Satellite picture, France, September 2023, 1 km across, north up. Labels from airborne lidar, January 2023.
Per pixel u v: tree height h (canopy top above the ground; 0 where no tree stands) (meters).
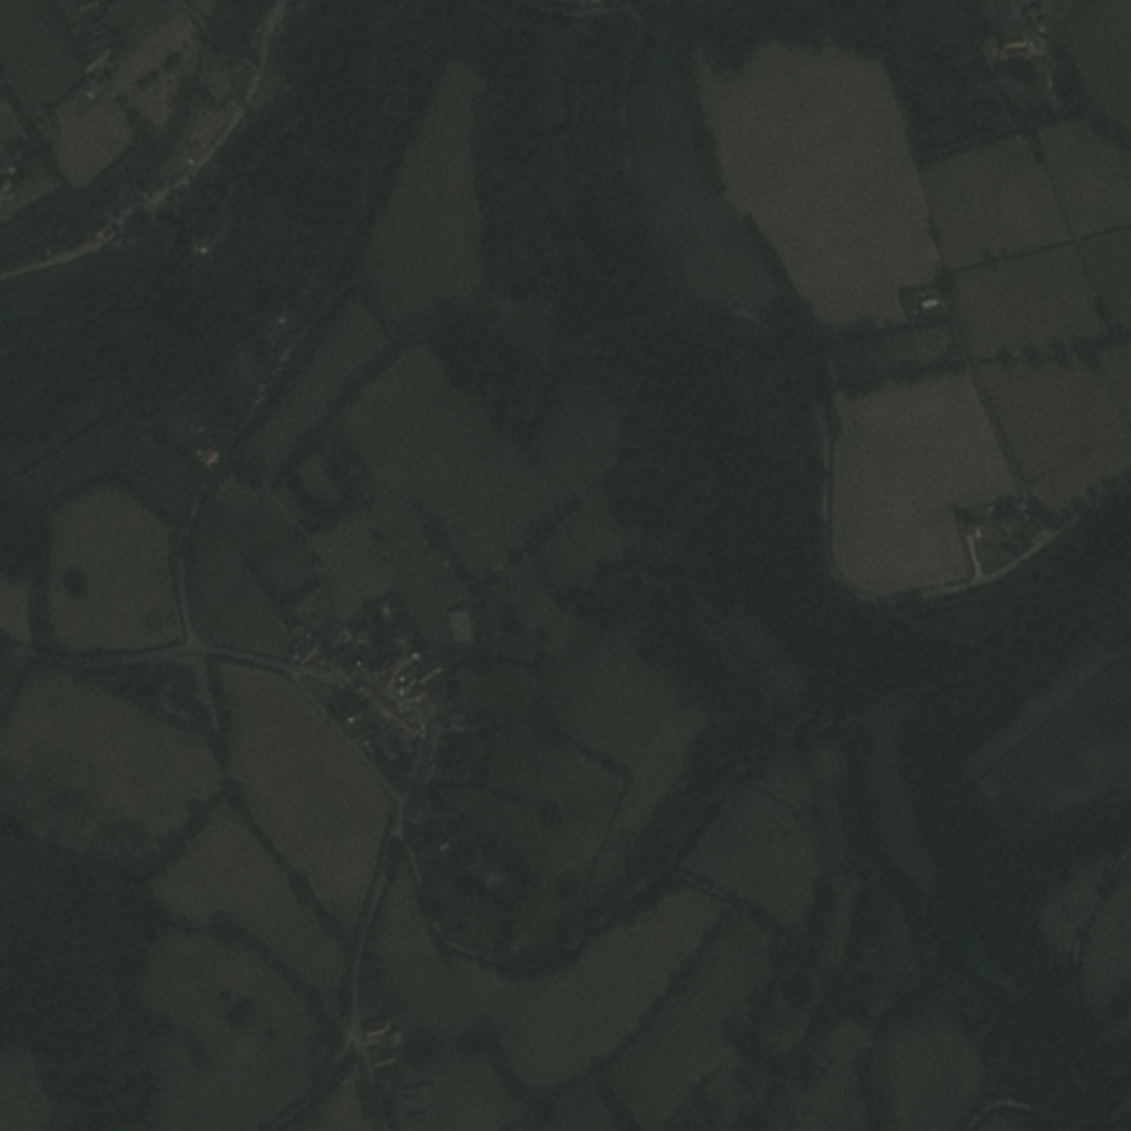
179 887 0
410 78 19
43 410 24
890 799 0
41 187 0
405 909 0
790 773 0
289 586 0
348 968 7
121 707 0
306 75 25
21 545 21
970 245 0
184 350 16
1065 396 0
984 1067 6
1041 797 0
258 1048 0
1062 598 6
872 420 0
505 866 22
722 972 0
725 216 0
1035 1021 22
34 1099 0
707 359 10
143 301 24
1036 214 0
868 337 16
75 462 0
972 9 0
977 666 15
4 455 0
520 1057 0
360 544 0
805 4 10
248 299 9
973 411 0
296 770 0
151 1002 0
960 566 0
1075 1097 24
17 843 21
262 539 0
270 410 6
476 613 13
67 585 9
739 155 0
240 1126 0
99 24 7
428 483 0
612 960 0
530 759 0
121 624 0
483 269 0
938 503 0
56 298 0
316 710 0
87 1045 30
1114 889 9
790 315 17
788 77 0
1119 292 0
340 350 0
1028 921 15
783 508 18
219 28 0
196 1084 0
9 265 11
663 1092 0
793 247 0
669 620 9
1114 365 0
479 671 14
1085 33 0
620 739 0
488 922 0
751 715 23
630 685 0
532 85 19
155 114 0
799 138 0
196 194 6
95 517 0
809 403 14
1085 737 0
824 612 12
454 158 0
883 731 0
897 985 0
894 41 14
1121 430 0
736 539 10
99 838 0
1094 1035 18
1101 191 0
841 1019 0
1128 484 10
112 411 24
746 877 0
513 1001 0
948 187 0
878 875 25
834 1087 0
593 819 0
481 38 19
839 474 0
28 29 0
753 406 7
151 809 0
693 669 19
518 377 9
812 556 16
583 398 0
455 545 0
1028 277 0
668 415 9
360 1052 0
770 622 20
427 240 0
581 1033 0
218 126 0
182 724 7
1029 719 0
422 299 0
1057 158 0
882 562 0
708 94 0
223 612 0
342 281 10
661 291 18
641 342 16
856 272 0
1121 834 15
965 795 21
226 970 0
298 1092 0
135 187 11
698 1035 0
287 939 0
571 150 0
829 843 0
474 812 0
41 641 12
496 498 0
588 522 0
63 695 0
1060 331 0
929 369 12
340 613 0
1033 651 10
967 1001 24
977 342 0
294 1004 0
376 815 0
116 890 6
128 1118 8
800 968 10
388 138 12
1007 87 0
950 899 23
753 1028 5
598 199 24
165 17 0
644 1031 7
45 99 0
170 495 0
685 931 0
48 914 33
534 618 0
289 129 7
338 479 12
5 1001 29
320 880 0
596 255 19
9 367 25
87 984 32
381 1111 17
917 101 16
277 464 0
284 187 17
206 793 0
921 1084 0
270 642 0
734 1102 0
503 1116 0
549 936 0
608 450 0
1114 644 8
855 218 0
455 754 10
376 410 0
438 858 0
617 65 17
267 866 0
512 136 26
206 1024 0
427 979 0
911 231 0
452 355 16
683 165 0
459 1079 0
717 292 0
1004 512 10
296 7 0
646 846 6
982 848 15
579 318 8
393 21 13
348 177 13
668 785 0
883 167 0
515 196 30
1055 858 17
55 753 0
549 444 0
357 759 0
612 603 0
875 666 17
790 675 0
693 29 26
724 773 22
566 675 0
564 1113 0
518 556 8
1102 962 0
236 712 0
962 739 22
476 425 0
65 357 24
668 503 23
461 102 0
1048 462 0
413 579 0
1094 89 0
